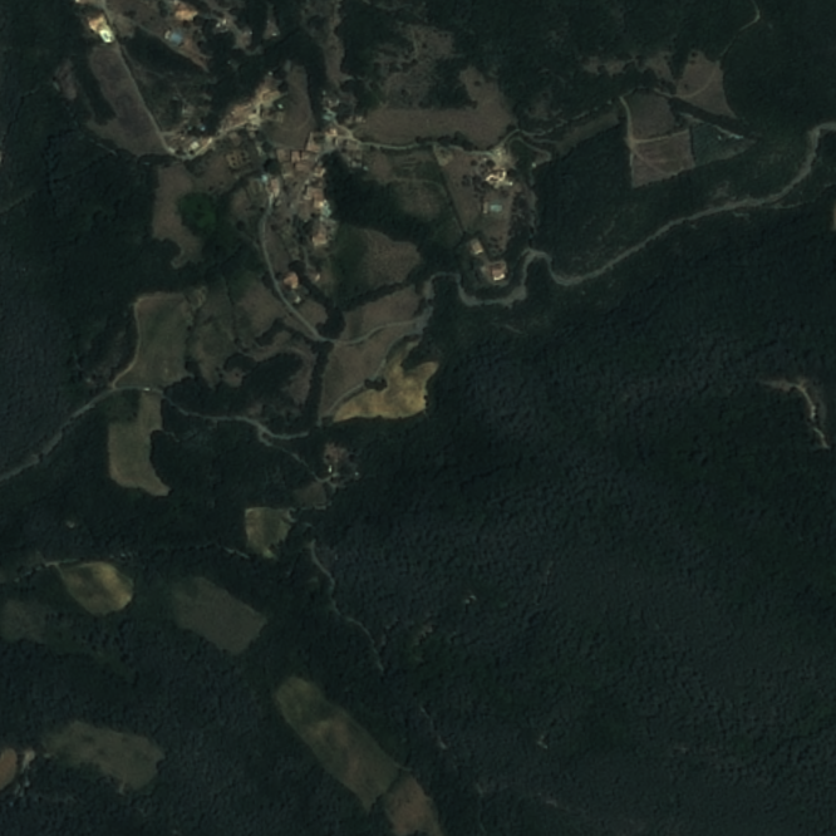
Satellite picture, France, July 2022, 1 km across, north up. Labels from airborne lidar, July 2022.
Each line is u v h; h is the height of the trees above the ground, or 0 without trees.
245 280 0
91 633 9
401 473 17
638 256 8
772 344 9
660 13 10
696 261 10
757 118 8
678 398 13
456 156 0
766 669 12
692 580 12
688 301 9
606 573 10
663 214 10
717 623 10
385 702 20
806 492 12
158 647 14
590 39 7
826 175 10
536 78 8
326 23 8
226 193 6
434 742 11
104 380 16
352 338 0
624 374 12
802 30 10
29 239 15
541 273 11
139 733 12
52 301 13
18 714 12
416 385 0
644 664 13
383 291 10
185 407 13
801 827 15
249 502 9
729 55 8
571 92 7
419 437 11
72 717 15
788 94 25
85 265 13
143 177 10
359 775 0
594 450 16
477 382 14
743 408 12
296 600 15
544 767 13
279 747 12
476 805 12
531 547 9
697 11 8
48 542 12
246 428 11
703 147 6
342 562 9
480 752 14
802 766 15
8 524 13
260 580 18
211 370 0
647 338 12
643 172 0
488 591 8
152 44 6
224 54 10
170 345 0
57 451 12
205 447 9
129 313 8
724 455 16
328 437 12
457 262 7
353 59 12
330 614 10
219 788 16
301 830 16
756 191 11
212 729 10
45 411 13
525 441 10
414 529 16
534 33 8
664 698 15
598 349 9
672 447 17
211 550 15
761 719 13
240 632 0
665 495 17
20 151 14
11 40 12
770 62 9
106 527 17
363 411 0
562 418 18
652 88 8
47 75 9
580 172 8
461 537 16
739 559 17
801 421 6
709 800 11
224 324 0
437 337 8
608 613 11
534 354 12
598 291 10
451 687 11
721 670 12
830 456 14
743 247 13
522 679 18
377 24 7
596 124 0
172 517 8
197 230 10
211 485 8
